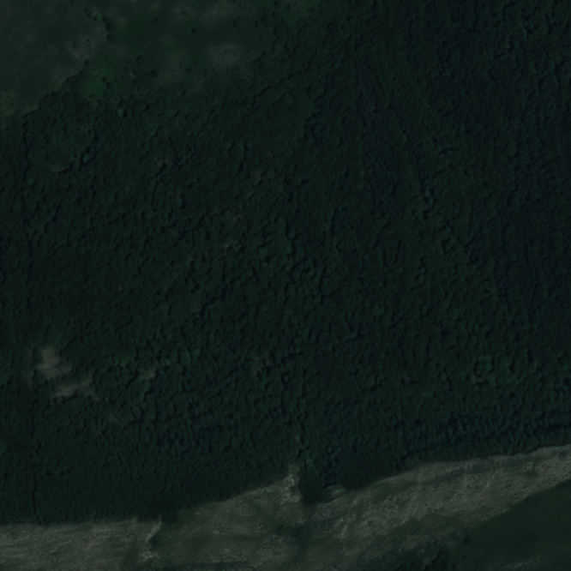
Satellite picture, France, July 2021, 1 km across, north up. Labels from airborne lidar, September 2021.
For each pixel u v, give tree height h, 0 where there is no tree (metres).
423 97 24
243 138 25
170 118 23
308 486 19
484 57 21
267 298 27
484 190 28
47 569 0
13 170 7
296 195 26
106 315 26
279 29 20
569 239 18
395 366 29
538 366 25
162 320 33
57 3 0
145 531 0
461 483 0
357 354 27
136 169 27
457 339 30
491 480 0
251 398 28
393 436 17
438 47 21
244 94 17
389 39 24
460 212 20
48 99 18
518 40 23
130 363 31
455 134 23
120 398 23
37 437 20
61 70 0
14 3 0
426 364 23
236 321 19
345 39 8
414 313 31
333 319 30
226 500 8
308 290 21
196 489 17
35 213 17
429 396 22
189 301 35
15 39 0
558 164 19
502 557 0
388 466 12
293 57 20
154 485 16
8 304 27
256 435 19
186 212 27
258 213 30
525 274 19
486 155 23
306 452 25
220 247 18
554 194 21
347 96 30
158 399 23
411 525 0
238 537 0
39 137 20
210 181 23
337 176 24
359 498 0
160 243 34
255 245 31
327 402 14
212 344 29
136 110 30
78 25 0
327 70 11
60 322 20
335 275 27
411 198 30
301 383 25
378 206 23
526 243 21
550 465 0
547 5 27
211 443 13
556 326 29
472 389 26
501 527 0
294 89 13
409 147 21
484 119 23
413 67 24
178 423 16
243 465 19
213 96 8
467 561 15
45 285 25
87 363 20
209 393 24
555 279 20
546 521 0
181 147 24
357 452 17
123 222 31
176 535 0
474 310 29
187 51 0
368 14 10
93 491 19
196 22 0
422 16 29
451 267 26
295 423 25
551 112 20
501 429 20
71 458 27
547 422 19
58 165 27
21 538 0
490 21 22
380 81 26
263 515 0
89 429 21
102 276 26
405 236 31
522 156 15
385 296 28
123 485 16
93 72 0
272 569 0
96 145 24
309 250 27
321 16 10
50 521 7
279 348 23
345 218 25
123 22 0
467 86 25
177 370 35
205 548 0
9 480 21
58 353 9
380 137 20
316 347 28
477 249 19
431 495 0
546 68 16
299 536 7
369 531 0
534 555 0
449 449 14
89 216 34
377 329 29
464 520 0
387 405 18
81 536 0
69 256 29
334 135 26
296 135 30
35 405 13
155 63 0
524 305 24
